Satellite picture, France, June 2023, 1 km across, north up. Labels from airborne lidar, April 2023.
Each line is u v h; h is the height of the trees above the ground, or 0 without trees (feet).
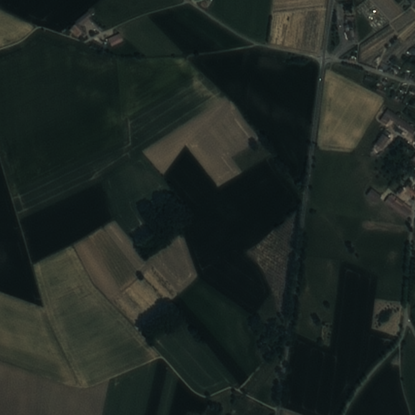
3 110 0
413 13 0
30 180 0
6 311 0
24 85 0
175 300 0
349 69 0
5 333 0
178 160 0
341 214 0
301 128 0
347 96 0
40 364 0
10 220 0
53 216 0
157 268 0
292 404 0
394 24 0
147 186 0
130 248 0
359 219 0
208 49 0
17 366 0
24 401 0
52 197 0
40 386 0
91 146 0
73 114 0
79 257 0
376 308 0
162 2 0
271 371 0
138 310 0
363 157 0
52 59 0
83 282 0
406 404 0
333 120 0
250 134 0
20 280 0
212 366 0
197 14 0
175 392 0
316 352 0
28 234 0
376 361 0
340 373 0
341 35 0
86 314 0
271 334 94
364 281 0
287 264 0
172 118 0
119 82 0
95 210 0
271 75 0
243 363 0
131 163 0
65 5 0
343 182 0
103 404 0
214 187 0
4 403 0
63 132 0
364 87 0
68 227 0
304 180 51
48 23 0
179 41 0
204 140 0
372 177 0
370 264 0
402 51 0
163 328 89
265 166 0
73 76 0
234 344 0
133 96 0
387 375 0
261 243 0
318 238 0
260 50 0
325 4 0
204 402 0
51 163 0
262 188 0
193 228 0
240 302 0
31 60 0
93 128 0
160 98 0
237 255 0
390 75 0
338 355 0
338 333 0
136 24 0
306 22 0
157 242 67
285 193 0
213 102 0
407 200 0
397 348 0
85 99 0
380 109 0
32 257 0
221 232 0
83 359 0
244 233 0
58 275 0
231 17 0
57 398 0
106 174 0
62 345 0
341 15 0
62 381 0
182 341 0
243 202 0
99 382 0
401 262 0
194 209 0
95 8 0
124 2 0
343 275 0
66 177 0
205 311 0
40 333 0
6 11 0
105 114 0
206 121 0
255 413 0
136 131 0
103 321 0
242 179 0
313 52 0
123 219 0
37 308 0
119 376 0
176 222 93
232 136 0
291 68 0
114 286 0
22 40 0
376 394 0
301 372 0
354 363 0
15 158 0
